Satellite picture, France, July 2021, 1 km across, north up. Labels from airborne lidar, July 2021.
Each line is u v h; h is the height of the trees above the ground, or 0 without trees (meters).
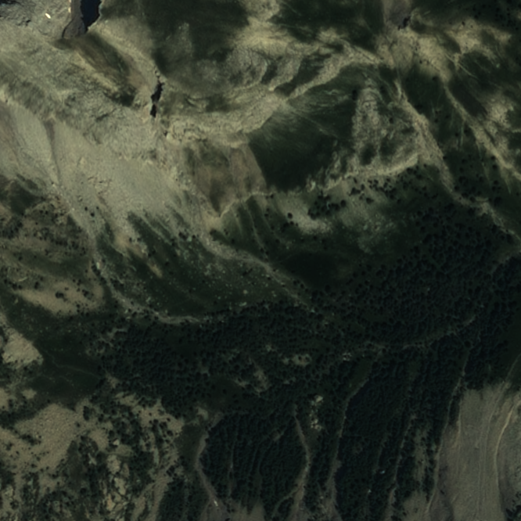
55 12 0
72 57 0
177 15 0
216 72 0
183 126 0
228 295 0
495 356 18
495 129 0
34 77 0
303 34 0
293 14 0
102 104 0
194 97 0
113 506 0
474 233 21
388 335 19
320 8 0
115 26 0
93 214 7
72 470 0
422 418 6
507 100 0
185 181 0
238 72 0
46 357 0
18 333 0
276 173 0
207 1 0
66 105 0
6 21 0
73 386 0
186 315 0
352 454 13
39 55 0
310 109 0
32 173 0
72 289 0
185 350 0
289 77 0
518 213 0
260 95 0
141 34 0
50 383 0
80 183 0
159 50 0
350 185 0
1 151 0
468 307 23
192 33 0
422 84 0
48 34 0
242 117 0
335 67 0
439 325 15
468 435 0
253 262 0
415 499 0
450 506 0
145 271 0
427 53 0
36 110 0
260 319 9
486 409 0
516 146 0
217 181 0
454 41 0
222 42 0
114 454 0
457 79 0
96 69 0
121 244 0
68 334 0
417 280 22
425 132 0
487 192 0
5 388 0
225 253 0
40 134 0
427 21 0
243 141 0
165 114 0
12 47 0
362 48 0
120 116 0
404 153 0
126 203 0
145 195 0
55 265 0
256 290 0
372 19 0
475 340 11
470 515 0
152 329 12
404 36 0
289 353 9
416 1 0
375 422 20
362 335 15
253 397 14
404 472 19
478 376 17
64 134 0
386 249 0
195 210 0
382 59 0
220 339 12
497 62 0
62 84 0
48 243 0
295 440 13
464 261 26
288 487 13
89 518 0
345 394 9
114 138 0
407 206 0
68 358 0
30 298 0
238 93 0
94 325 7
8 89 0
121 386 9
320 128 0
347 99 0
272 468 19
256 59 0
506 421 0
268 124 0
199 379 26
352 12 0
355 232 0
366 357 6
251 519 0
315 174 0
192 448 0
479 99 0
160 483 0
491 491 0
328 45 0
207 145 0
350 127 0
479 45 0
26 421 0
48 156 0
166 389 11
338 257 0
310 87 0
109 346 16
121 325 10
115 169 0
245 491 9
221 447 12
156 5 0
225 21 0
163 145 0
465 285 16
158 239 0
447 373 20
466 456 0
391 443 11
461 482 0
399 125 0
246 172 0
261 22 0
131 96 0
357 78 0
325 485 8
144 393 9
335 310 9
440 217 12
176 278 0
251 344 7
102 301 0
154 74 0
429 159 0
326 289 12
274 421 17
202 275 0
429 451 11
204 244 0
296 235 0
